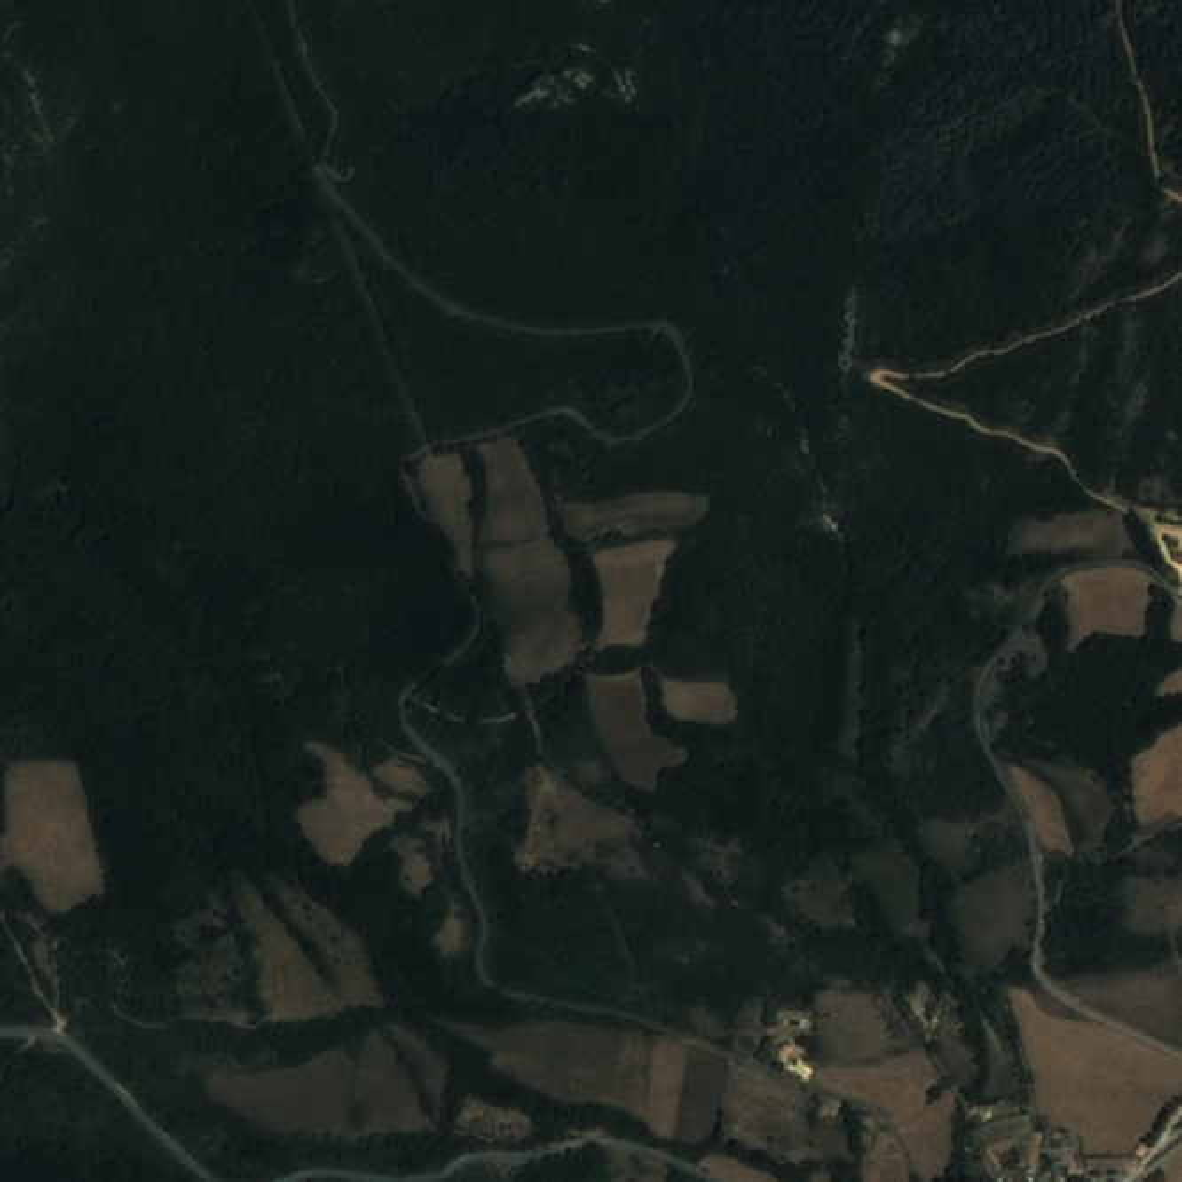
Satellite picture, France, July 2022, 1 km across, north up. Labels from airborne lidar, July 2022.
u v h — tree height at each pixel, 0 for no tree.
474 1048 7
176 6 7
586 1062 0
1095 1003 0
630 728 0
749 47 10
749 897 7
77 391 17
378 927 7
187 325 11
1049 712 12
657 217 12
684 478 8
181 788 9
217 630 14
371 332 13
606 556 0
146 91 9
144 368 15
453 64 8
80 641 16
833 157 9
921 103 13
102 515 19
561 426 11
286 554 17
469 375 10
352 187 6
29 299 9
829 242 10
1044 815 0
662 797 10
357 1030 8
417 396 12
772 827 11
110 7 12
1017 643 0
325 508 19
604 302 12
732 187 12
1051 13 16
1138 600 0
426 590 17
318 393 14
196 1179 7
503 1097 11
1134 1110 0
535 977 7
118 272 13
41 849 0
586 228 8
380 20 7
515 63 6
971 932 0
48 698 12
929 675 5
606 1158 11
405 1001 9
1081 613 0
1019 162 13
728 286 8
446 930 0
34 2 7
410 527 20
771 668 11
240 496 13
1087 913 7
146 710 6
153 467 12
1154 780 0
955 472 9
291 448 11
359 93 10
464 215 8
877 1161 0
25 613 16
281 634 11
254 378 14
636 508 0
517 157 9
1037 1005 0
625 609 0
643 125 10
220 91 15
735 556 9
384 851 6
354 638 16
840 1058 0
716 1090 0
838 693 14
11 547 20
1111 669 13
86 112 10
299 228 15
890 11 9
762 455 9
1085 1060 0
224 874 14
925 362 9
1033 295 9
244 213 21
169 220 15
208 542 11
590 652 8
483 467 14
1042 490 13
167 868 18
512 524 0
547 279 10
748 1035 0
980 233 9
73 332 11
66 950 8
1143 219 7
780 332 10
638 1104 0
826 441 11
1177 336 6
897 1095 0
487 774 14
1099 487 5
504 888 14
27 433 17
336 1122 0
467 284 10
